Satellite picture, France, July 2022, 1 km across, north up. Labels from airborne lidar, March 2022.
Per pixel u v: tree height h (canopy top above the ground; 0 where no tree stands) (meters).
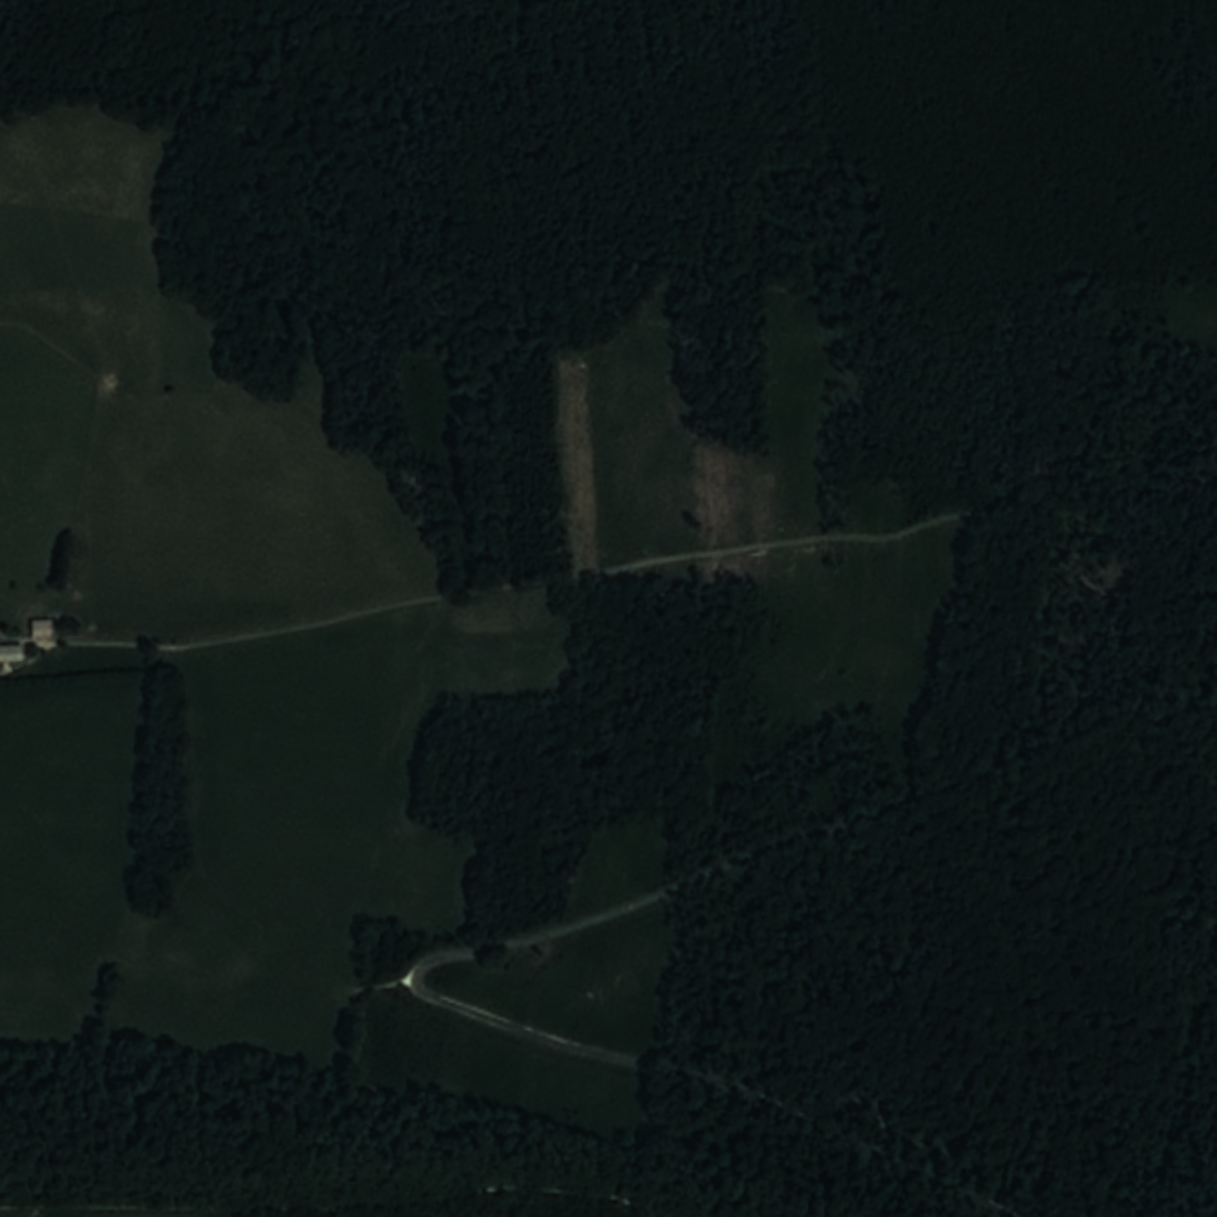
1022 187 10
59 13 10
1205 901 25
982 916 21
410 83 15
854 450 20
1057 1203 21
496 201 17
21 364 0
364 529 0
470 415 27
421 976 0
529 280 22
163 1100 25
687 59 17
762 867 12
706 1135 26
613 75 16
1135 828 24
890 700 0
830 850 15
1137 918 26
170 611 0
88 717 0
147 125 18
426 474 21
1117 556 26
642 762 19
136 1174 18
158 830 21
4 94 14
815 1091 20
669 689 15
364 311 15
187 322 0
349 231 25
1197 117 12
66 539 11
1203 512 22
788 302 0
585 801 24
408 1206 14
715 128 19
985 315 15
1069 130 11
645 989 0
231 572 0
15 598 0
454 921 0
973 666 19
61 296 0
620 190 19
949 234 14
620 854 0
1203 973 26
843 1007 24
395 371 23
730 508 0
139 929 0
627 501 0
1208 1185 25
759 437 19
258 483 0
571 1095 0
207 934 0
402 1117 27
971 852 23
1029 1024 25
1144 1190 23
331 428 16
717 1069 23
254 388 21
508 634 0
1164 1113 23
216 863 0
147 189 0
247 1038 0
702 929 22
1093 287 20
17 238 0
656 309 0
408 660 0
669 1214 15
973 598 17
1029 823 23
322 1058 0
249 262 23
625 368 0
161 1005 0
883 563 0
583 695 17
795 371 0
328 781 0
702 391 22
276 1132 21
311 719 0
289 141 29
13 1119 25
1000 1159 23
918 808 20
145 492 0
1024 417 26
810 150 28
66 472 0
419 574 0
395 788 0
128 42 16
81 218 0
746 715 8
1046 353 24
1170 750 20
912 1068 25
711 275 19
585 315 25
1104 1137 25
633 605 15
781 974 24
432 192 18
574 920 0
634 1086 0
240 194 31
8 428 0
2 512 0
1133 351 19
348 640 0
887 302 17
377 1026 0
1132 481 19
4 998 0
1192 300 0
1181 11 12
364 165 24
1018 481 19
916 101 11
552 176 19
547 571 18
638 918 0
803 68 22
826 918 24
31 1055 19
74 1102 28
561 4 19
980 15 12
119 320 0
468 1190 16
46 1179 16
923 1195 16
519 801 25
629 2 17
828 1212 25
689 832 21
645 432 0
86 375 0
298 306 19
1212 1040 15
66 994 0
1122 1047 23
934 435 18
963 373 14
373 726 0
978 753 24
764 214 25
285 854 0
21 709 0
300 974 0
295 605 0
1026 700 27
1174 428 8
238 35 14
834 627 0
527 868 15
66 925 0
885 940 22
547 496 10
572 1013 0
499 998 0
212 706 0
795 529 0
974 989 24
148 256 0
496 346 26
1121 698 24
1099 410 26
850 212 27
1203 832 24
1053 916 11
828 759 10
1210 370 15
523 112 19
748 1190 25
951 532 0
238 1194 19
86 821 0
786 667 0
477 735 21
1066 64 11
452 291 25
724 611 18
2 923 0
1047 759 25
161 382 0
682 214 18
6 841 0
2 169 0
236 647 0
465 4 26
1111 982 21
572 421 0
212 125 32
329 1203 11
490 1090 0
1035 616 22
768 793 15
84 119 0
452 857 0
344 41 29
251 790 0
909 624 0
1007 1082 21
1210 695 23
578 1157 21
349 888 0
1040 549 26
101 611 0
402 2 26
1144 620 22
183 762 20
